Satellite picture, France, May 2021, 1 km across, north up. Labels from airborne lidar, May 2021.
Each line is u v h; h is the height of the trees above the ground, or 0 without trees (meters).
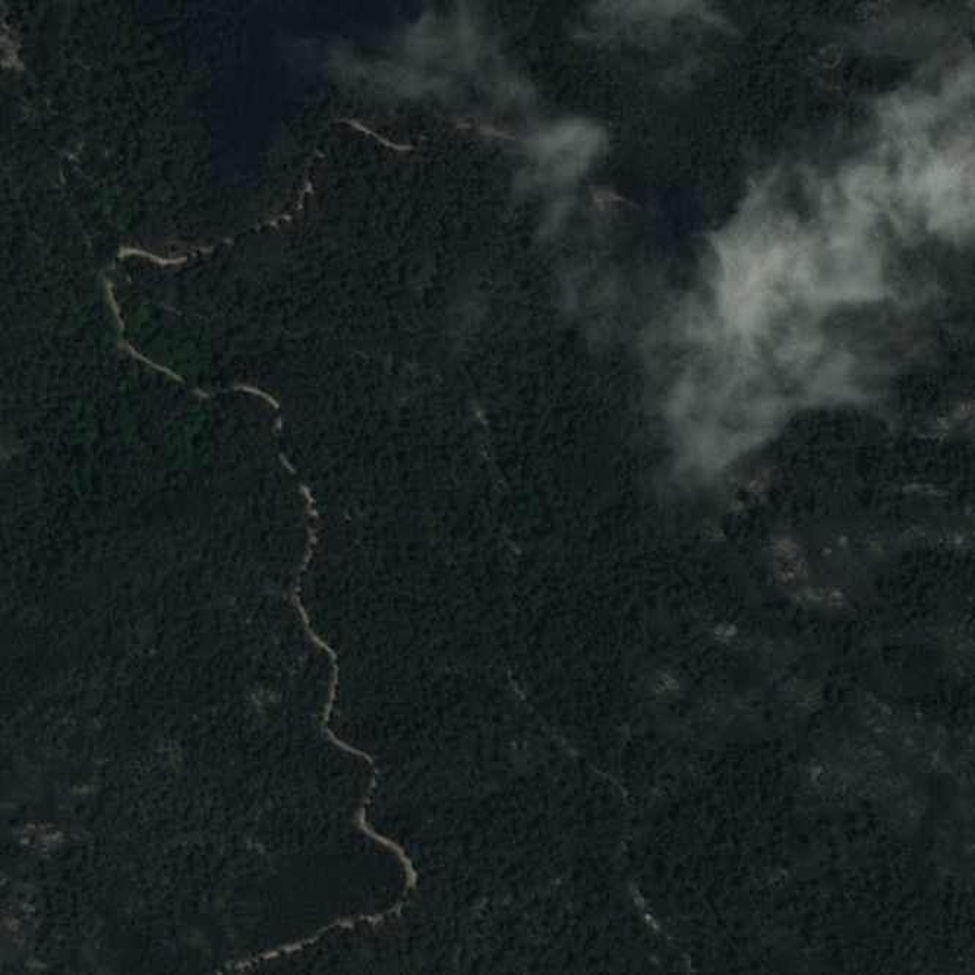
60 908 22
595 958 16
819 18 16
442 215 27
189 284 29
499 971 29
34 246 27
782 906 18
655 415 30
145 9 31
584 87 22
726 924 29
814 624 20
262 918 9
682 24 25
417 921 25
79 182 30
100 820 22
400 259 25
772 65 29
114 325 17
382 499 19
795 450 23
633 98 29
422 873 22
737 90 22
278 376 29
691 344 26
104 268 11
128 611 13
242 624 17
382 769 24
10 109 27
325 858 12
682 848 28
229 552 15
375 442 28
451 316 30
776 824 11
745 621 10
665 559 31
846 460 20
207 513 12
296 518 24
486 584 31
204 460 12
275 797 24
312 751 21
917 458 28
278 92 21
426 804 7
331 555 20
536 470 35
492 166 35
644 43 21
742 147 27
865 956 10
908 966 17
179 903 18
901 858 21
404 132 14
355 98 22
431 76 27
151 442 20
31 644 14
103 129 29
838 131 21
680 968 21
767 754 26
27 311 22
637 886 31
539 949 21
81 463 23
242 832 20
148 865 21
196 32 31
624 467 21
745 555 8
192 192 22
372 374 36
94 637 9
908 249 13
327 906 12
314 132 29
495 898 25
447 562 19
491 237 25
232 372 23
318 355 31
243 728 21
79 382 25
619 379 19
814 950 23
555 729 31
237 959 13
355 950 29
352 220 32
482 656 28
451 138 33
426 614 23
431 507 10
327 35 25
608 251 25
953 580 22
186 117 27
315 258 23
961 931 28
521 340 30
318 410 27
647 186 22
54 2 29
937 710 15
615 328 22
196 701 14
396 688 24
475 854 24
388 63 11
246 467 26
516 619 29
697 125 25
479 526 22
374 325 25
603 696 20
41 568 25
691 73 23
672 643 12
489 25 28
